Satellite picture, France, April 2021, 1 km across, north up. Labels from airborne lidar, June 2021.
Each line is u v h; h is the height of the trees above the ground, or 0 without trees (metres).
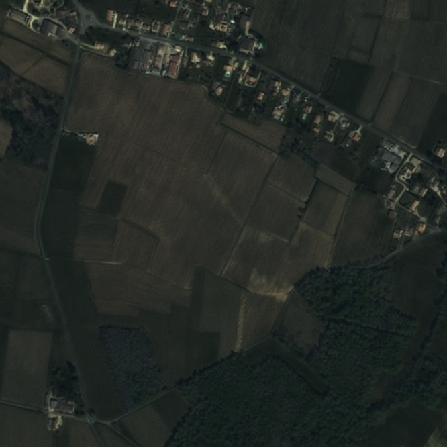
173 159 0
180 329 0
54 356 0
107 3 0
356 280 10
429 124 0
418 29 0
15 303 0
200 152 0
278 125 0
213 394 15
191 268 0
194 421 13
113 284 0
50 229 0
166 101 0
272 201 0
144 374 16
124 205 0
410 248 0
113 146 0
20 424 0
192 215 0
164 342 0
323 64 0
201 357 0
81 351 0
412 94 0
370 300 21
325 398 15
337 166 0
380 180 0
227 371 13
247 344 0
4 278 0
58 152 0
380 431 0
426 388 14
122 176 0
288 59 0
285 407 16
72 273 0
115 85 0
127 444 0
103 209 0
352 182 0
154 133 0
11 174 0
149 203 0
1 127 0
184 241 0
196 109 0
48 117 34
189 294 0
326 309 6
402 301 0
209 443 16
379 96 0
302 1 0
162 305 0
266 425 15
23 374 0
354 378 16
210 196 0
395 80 0
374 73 0
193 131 0
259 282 0
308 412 15
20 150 24
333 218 0
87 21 0
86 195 0
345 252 0
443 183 13
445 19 0
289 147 11
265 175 0
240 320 0
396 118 0
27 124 23
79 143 0
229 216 0
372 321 22
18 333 0
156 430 0
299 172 0
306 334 0
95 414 14
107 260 0
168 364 0
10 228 0
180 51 0
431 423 0
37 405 0
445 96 0
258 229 0
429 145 0
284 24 0
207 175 0
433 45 0
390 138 0
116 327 10
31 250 0
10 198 0
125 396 16
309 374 0
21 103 32
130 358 18
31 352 0
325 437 21
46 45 0
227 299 0
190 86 0
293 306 0
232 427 18
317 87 0
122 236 0
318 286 11
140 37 0
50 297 0
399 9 0
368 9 0
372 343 18
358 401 17
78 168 0
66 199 0
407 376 14
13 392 0
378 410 22
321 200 0
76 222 0
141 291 0
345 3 0
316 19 0
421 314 0
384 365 19
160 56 0
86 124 0
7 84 17
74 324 0
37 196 0
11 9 10
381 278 11
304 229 0
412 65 0
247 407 14
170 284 0
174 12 0
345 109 0
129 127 0
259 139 0
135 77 0
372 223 0
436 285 0
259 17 0
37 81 0
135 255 0
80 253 0
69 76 0
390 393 14
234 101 0
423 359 16
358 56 0
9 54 0
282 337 10
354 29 0
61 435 7
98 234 0
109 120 0
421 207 0
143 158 0
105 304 0
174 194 0
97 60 0
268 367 15
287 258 0
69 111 0
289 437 19
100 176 0
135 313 0
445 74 0
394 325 24
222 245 0
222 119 0
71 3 15
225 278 0
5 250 0
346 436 18
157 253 0
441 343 0
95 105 0
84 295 0
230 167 0
